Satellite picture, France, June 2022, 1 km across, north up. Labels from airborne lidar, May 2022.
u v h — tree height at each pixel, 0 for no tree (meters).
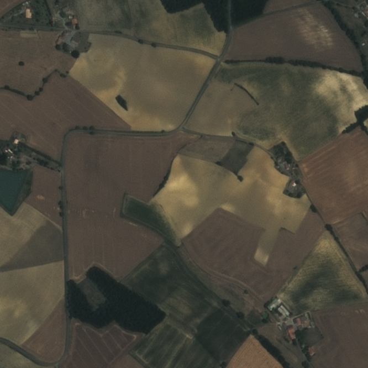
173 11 14
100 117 0
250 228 0
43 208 0
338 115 0
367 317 0
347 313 0
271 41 0
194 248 0
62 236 0
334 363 0
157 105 0
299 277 0
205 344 0
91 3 0
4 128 0
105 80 0
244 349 0
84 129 7
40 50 0
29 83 0
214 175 0
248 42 0
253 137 0
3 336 0
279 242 0
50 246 0
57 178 0
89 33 0
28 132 0
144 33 0
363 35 8
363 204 0
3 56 0
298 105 0
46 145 0
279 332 0
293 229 0
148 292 0
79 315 14
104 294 20
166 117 0
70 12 0
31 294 0
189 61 0
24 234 0
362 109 10
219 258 0
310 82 0
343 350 0
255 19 0
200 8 0
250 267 0
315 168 0
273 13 0
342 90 0
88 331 0
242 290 0
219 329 0
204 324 0
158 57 0
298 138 0
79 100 0
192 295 0
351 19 0
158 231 0
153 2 0
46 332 0
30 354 0
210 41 0
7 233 0
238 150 0
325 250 0
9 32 0
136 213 0
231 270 0
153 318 16
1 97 0
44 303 0
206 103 0
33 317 0
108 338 0
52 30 7
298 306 0
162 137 0
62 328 0
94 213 0
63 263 0
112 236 0
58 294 0
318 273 0
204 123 0
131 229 0
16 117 0
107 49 0
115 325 0
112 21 0
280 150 6
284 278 0
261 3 7
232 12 10
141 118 0
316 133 0
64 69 0
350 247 0
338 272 0
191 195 0
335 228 0
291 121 0
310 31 0
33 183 0
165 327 0
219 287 0
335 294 0
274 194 0
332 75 0
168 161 0
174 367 0
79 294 16
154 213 0
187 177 0
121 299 17
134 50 0
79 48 0
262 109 0
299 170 0
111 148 0
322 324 0
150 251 0
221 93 0
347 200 0
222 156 0
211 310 0
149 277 0
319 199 0
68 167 0
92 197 0
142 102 0
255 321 0
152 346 0
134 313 16
